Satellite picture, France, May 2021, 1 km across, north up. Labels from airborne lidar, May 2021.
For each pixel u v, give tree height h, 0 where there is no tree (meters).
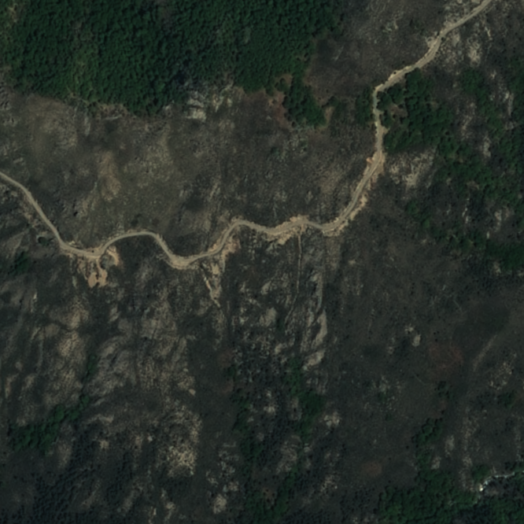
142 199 0
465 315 0
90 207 0
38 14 22
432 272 0
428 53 0
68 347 0
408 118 13
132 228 0
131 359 0
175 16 11
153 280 0
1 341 0
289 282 0
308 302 0
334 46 0
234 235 8
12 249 0
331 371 0
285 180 0
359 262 0
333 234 0
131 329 0
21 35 14
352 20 0
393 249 0
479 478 21
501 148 15
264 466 11
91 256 0
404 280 0
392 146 18
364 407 0
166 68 6
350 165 0
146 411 0
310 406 17
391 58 0
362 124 6
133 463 14
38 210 0
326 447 9
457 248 9
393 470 0
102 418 0
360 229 0
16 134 0
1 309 0
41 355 0
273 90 10
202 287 0
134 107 11
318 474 8
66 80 10
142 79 11
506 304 0
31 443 11
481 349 0
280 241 0
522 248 11
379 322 0
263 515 19
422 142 7
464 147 15
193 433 0
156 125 0
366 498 8
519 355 0
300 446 11
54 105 0
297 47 13
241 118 0
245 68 11
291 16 16
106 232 0
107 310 0
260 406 8
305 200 0
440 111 15
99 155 0
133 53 14
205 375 0
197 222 0
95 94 8
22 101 0
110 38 16
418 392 0
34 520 17
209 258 0
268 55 17
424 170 0
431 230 8
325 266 0
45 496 11
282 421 14
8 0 10
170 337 0
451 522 9
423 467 12
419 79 17
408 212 10
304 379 6
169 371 0
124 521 10
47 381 0
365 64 0
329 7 18
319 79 0
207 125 0
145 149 0
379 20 0
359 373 0
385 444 0
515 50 8
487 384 0
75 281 0
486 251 8
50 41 23
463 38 0
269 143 0
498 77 0
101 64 16
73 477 11
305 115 15
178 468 0
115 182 0
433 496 18
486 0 0
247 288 0
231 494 15
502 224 0
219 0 11
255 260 0
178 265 0
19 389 0
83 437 6
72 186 0
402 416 0
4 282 0
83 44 10
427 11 0
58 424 7
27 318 0
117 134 0
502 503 16
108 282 0
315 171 0
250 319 0
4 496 0
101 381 0
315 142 0
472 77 10
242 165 0
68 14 19
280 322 15
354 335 0
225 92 6
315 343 0
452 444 0
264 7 16
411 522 19
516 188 12
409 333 9
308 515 10
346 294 0
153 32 18
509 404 13
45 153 0
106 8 22
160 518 0
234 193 0
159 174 0
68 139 0
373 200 0
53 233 0
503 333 0
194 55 12
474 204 12
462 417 0
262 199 0
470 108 0
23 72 17
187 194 0
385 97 27
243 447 12
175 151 0
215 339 0
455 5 0
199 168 0
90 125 0
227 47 14
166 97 8
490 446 0
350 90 0
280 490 13
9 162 0
